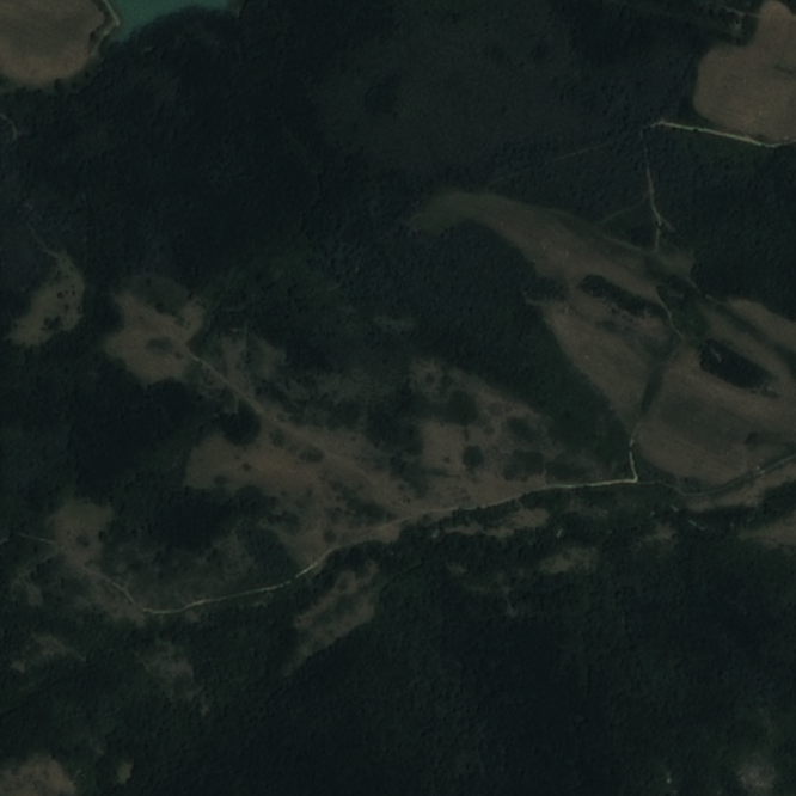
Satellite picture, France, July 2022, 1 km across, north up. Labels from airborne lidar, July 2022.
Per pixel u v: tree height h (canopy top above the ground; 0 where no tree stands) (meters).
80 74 0
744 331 0
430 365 0
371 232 12
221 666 8
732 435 0
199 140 14
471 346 6
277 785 15
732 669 9
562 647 6
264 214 18
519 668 10
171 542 14
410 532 8
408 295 7
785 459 0
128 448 17
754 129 0
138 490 11
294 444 0
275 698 15
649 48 10
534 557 10
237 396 0
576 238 0
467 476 0
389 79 7
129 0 0
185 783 10
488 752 8
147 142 15
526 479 0
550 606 12
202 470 0
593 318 0
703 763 7
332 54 11
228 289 8
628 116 10
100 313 8
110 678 11
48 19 0
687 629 11
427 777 12
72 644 8
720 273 11
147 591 0
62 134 14
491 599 10
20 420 11
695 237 8
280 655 13
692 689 8
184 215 15
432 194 7
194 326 0
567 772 12
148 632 7
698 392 0
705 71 0
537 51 8
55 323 6
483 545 13
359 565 12
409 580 6
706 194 12
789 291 8
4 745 12
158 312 7
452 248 11
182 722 9
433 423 0
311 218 16
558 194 6
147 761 13
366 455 0
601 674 14
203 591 0
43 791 0
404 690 13
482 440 0
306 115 12
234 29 15
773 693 13
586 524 15
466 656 13
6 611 7
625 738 10
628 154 10
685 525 7
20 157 12
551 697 11
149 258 6
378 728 10
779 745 6
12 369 17
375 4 11
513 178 6
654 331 0
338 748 13
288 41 12
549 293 6
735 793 8
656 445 0
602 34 21
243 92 14
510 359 6
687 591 8
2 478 6
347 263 10
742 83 0
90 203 12
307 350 7
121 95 7
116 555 0
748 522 7
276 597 7
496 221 0
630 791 13
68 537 0
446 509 0
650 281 0
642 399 0
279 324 7
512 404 0
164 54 6
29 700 10
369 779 12
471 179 9
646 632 9
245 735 11
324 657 15
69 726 8
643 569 8
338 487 0
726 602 10
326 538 0
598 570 6
